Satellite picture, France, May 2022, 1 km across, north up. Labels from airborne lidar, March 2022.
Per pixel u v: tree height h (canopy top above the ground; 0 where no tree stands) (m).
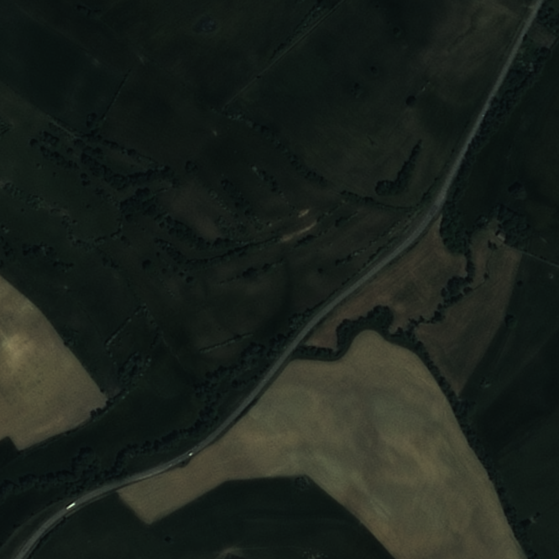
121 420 0
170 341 0
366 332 0
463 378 0
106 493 0
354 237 0
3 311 0
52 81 0
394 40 0
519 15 0
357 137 0
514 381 0
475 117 0
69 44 0
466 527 0
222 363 0
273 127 0
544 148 0
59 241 0
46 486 14
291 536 0
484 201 0
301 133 0
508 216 17
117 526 0
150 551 0
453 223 13
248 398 0
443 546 0
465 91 0
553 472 0
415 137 0
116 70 0
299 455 0
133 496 0
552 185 0
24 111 0
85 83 0
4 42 0
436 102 0
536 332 0
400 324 0
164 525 0
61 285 0
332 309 0
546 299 0
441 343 0
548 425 0
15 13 0
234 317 0
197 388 13
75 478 15
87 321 0
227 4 0
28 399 0
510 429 0
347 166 0
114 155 0
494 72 0
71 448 0
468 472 0
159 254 8
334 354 14
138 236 0
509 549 0
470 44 0
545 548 0
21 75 0
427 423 0
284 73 0
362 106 0
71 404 0
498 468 0
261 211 0
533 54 5
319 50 0
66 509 0
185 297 0
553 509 0
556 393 0
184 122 0
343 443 0
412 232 0
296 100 0
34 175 0
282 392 0
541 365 0
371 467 0
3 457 0
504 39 0
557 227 0
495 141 0
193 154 0
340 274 0
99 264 0
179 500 0
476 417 0
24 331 0
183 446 0
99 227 0
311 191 0
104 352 0
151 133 0
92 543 0
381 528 0
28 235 0
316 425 0
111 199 6
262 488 0
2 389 0
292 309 0
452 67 0
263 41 0
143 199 16
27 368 0
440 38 0
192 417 0
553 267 0
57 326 0
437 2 0
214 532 0
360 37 0
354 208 0
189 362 0
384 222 0
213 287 0
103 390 8
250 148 0
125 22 0
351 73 0
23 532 0
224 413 0
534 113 0
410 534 0
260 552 0
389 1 0
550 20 8
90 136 9
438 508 0
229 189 13
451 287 14
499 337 0
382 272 0
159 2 0
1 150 0
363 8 0
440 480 0
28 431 0
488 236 0
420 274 0
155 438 0
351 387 0
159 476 0
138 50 0
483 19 0
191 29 0
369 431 0
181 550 0
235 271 0
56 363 0
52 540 0
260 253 0
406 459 0
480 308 0
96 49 0
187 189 0
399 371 0
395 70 0
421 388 0
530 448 0
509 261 0
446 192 0
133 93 0
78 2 0
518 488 0
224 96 0
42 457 0
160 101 0
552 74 0
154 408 0
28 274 0
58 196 0
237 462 0
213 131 0
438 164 0
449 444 0
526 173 0
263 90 0
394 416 0
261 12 0
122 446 0
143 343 0
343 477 0
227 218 0
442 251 0
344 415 0
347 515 0
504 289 0
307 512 0
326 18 0
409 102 10
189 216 0
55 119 5
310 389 0
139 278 0
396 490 0
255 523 0
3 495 13
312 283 0
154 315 0
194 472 0
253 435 0
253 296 0
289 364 0
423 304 0
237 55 0
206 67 0
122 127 0
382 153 0
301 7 0
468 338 0
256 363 13
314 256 0
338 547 0
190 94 0
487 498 0
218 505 0
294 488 0
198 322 0
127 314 0
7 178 0
